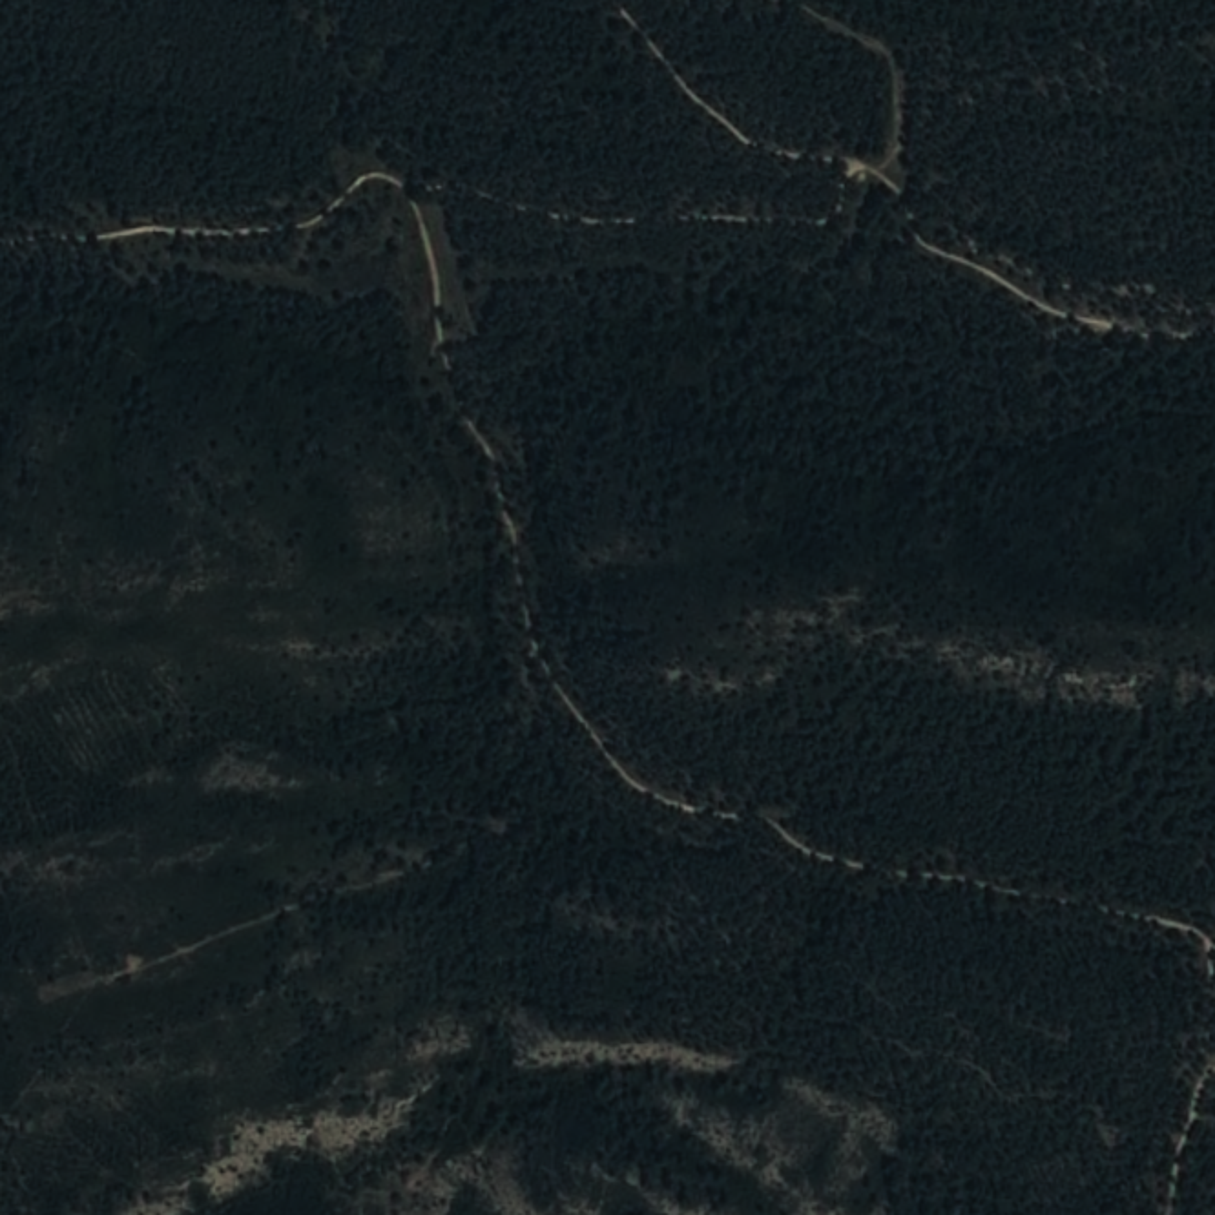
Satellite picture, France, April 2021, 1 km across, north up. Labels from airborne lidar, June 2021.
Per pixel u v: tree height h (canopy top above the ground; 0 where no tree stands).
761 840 13
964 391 15
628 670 9
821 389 13
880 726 11
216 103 15
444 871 7
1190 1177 11
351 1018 8
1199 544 8
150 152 10
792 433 15
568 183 11
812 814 14
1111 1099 9
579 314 17
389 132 16
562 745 15
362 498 0
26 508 0
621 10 12
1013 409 15
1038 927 11
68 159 16
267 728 6
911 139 16
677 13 11
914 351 11
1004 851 15
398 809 10
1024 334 15
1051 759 17
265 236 11
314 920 8
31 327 14
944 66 15
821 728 13
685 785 13
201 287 19
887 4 11
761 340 11
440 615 13
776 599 8
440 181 14
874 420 15
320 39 16
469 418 17
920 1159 10
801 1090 0
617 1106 13
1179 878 18
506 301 16
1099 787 15
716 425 10
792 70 10
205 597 0
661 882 8
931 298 17
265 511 0
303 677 0
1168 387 16
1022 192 12
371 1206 0
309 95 17
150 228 0
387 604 8
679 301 17
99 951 0
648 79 13
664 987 8
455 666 10
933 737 13
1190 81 18
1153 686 10
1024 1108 8
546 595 6
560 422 11
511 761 17
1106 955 13
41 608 0
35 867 0
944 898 14
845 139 13
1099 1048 7
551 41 12
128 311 7
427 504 0
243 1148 0
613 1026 10
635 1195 0
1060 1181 6
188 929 0
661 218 10
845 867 12
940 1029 7
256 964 0
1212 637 0
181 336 7
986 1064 8
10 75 16
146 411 9
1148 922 11
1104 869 16
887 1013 8
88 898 0
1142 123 10
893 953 6
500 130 16
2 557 0
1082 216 12
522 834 21
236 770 0
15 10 11
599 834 16
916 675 14
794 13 13
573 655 11
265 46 16
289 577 0
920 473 12
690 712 8
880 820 17
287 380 6
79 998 0
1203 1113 9
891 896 13
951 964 11
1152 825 18
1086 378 14
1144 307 9
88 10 15
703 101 10
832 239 14
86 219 6
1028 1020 7
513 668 20
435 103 18
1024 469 6
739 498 6
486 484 16
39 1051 6
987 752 12
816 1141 0
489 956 21
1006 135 12
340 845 8
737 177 12
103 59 12
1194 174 10
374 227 18
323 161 18
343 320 16
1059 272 11
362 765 8
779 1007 15
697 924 8
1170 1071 7
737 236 14
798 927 14
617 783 16
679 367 0
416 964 8
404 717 16
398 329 19
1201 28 14
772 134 10
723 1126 0
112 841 0
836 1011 11
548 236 12
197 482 8
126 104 9
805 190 12
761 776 13
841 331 11
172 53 13
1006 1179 9
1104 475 9
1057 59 17
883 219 18
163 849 0
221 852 0
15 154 14
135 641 0
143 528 0
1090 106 11
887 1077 11
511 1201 0
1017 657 7
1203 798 17
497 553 14
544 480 8
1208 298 14
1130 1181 11
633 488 7
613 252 14
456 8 16
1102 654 0
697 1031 13
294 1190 7
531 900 11
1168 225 11
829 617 12
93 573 0
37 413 0
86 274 14
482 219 16
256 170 11
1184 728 15
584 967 10
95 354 11
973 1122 13
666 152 14
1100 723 14
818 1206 0
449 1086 11
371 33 18
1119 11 11
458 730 16
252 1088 0
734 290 8
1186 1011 12
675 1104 0
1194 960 17
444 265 0
